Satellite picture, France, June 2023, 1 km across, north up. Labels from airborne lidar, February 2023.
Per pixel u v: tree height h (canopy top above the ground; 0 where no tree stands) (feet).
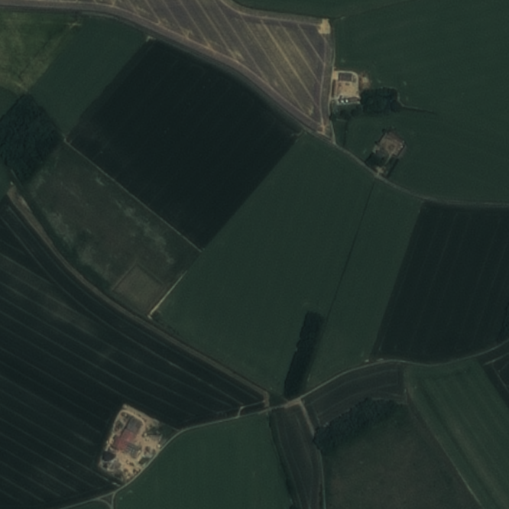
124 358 0
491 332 0
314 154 0
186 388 0
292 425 0
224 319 0
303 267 0
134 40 0
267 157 0
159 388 0
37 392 0
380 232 0
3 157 43
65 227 0
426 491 0
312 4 0
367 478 0
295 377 35
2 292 0
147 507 0
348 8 0
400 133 0
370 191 0
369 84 0
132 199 0
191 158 0
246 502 0
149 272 0
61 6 0
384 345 0
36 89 0
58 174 0
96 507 0
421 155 0
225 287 0
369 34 0
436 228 0
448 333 0
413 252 0
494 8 0
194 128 0
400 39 0
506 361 0
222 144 0
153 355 0
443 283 0
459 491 0
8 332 0
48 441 0
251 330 0
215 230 0
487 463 0
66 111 0
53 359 0
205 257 0
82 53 0
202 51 0
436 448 0
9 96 0
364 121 0
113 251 0
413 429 0
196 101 0
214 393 0
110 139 0
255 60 0
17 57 0
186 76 0
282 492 0
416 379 0
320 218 0
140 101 0
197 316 0
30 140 66
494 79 0
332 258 0
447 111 0
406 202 0
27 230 0
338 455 0
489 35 0
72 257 0
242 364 0
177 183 0
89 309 0
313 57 0
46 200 0
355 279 0
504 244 0
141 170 0
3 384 0
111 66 0
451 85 0
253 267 0
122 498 0
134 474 0
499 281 0
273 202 0
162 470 0
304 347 34
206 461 0
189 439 0
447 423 0
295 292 0
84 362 0
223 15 0
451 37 0
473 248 0
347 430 67
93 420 0
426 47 0
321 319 37
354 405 0
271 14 0
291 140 0
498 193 0
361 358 0
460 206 0
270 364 0
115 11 0
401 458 0
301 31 0
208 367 0
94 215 0
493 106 0
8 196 0
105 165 0
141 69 0
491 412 0
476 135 0
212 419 0
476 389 0
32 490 0
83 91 0
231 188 0
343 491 0
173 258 0
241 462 0
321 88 0
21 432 0
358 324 0
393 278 0
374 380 0
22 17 0
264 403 0
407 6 0
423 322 0
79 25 0
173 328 0
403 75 0
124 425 0
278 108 0
